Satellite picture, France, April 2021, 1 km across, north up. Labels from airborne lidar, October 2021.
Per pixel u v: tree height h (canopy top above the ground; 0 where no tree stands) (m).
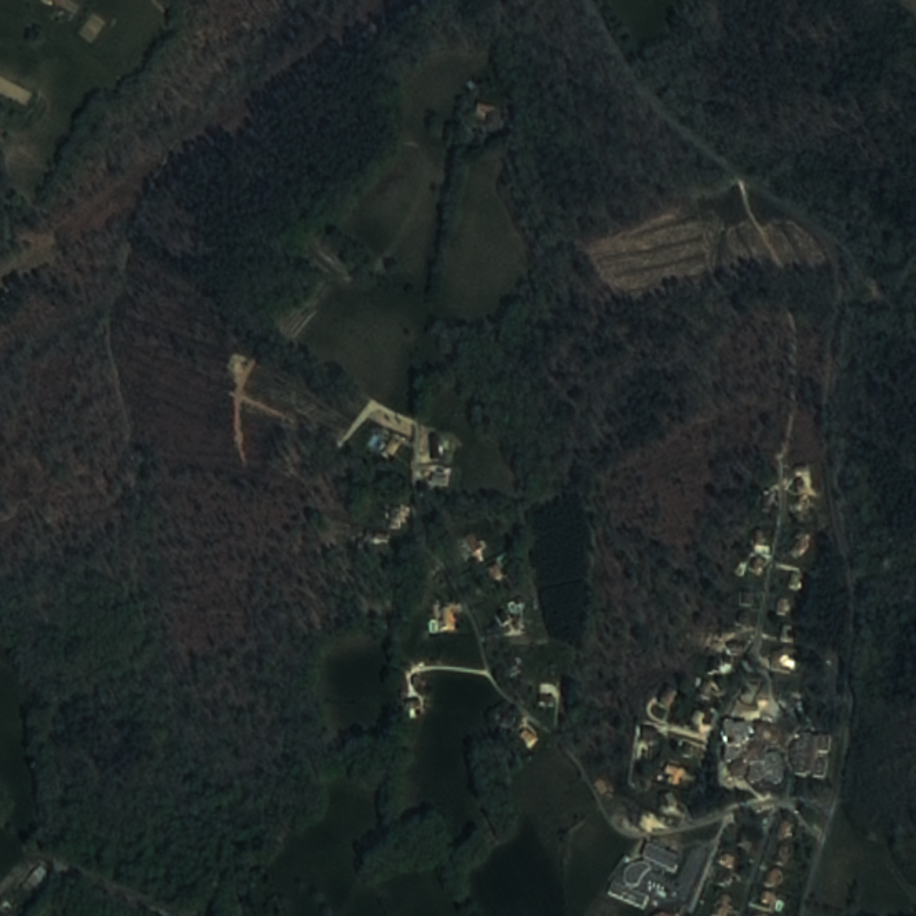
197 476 16
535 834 0
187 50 20
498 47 18
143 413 6
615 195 22
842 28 22
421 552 22
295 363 26
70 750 28
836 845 0
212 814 18
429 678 0
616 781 6
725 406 19
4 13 0
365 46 12
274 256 22
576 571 13
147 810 20
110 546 15
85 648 22
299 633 21
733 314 23
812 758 0
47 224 14
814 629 25
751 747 0
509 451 10
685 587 22
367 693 0
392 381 0
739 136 25
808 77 27
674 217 0
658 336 28
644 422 22
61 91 0
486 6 25
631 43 9
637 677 12
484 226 0
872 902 0
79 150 19
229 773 23
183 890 26
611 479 15
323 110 26
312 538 12
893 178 26
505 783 20
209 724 17
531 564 8
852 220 14
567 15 26
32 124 0
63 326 10
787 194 20
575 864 0
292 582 15
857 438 24
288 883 0
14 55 0
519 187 20
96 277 23
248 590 7
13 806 19
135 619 24
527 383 19
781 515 9
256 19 11
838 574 23
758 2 26
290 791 24
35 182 0
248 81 12
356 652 0
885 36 20
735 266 0
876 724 19
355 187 26
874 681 20
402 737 25
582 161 23
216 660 9
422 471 0
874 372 24
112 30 0
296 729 23
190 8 14
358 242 0
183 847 27
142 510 25
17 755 0
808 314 18
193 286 30
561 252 13
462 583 16
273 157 30
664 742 11
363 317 0
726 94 13
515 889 0
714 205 7
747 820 14
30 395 8
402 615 20
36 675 22
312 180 29
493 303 0
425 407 23
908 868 10
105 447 13
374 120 28
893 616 24
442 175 0
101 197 11
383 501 19
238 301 26
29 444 12
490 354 28
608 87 17
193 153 0
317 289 20
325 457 24
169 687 13
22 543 19
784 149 24
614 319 20
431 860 20
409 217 0
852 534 12
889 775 18
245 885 14
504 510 23
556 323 15
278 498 13
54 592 19
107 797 22
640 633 20
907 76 22
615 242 0
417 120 0
